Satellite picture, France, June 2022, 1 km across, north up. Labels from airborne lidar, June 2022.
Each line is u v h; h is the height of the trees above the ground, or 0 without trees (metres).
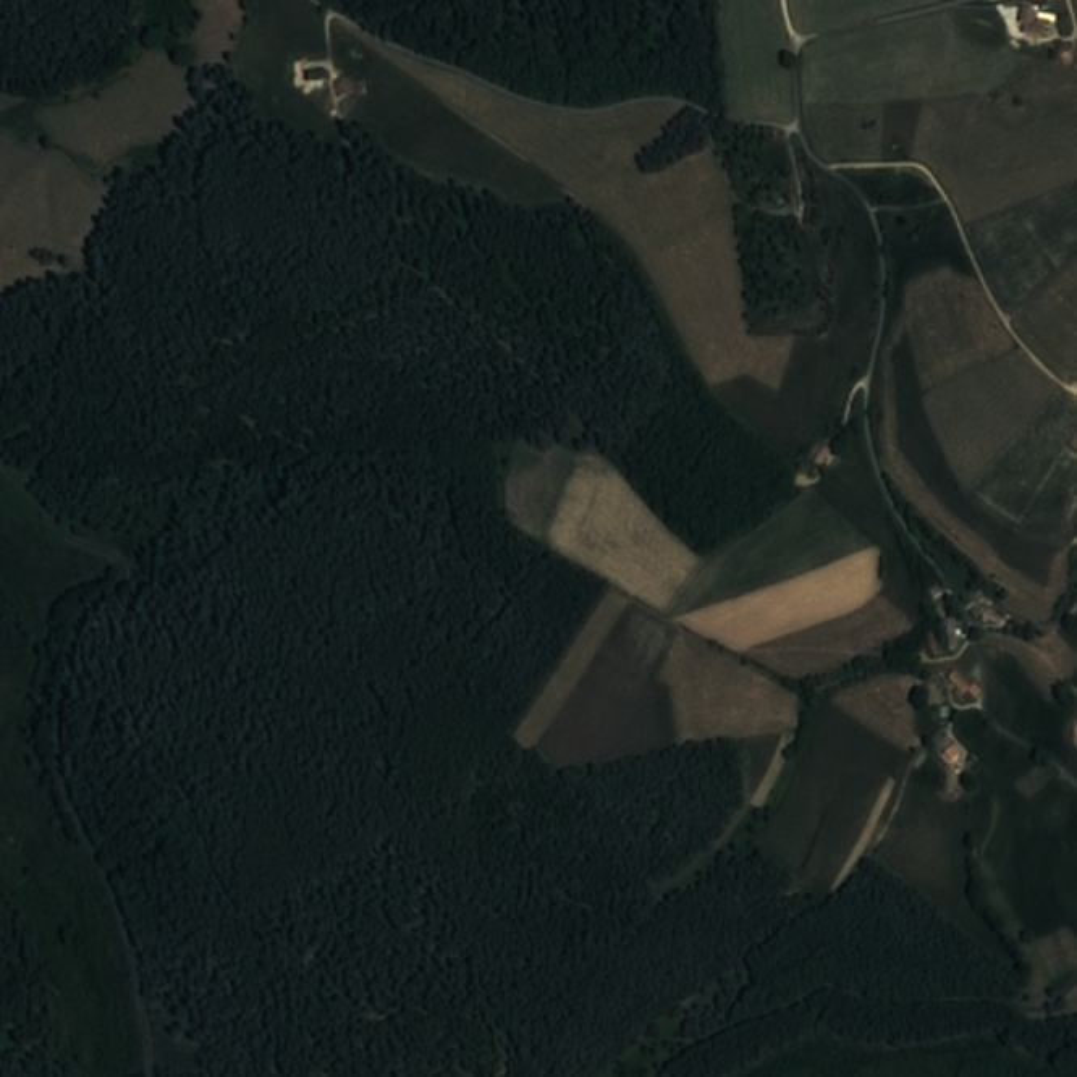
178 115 0
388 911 23
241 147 30
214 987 14
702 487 10
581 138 0
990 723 18
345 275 16
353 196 27
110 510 23
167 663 29
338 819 27
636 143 0
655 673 0
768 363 0
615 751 0
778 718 0
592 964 24
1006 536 0
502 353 14
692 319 0
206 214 22
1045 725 0
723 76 9
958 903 0
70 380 17
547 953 24
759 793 0
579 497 0
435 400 19
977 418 0
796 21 0
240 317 31
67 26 24
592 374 18
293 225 28
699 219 0
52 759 13
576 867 21
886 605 0
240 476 29
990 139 0
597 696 0
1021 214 0
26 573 0
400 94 0
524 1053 26
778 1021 23
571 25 18
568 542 0
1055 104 0
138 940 21
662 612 0
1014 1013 22
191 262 22
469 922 25
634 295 6
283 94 0
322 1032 21
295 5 0
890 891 20
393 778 21
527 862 18
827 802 0
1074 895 0
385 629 23
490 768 12
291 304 23
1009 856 0
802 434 0
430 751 22
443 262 16
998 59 0
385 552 23
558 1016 26
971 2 0
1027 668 0
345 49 0
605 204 0
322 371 16
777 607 0
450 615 23
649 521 0
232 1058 15
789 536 0
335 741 25
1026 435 0
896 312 0
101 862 17
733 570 0
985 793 0
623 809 13
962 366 0
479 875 26
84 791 15
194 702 26
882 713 0
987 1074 9
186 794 11
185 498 30
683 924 16
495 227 16
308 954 25
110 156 0
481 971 23
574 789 15
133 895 17
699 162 0
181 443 23
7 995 23
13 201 0
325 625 19
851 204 0
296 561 22
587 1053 15
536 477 0
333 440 22
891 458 0
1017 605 0
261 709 25
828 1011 25
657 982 19
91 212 0
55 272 0
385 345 12
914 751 13
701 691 0
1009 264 0
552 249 19
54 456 21
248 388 12
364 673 24
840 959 28
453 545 21
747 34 0
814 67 0
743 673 0
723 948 22
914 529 11
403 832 23
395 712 27
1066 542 0
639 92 14
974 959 24
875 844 0
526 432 19
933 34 0
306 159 26
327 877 25
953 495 0
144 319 20
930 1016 25
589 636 0
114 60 20
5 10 20
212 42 0
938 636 10
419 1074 15
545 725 0
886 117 0
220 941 21
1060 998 9
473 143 0
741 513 10
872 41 0
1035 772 0
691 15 17
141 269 27
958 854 0
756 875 19
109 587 23
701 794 15
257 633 27
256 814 25
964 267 0
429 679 27
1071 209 0
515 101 0
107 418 19
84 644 11
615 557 0
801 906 16
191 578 29
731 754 24
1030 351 0
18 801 0
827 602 0
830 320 6
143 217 28
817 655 0
